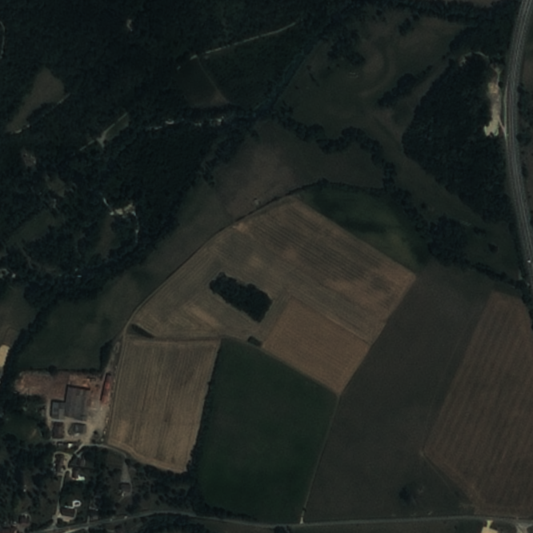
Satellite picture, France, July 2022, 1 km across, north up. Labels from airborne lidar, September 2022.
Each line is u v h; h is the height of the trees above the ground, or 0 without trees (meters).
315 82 24
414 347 0
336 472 0
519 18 0
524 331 0
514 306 0
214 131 21
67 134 21
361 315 0
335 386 0
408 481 0
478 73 19
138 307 0
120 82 21
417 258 0
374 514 0
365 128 0
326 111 0
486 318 0
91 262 7
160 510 0
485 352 0
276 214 0
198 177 22
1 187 13
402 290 0
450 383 0
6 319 0
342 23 20
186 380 0
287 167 0
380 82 0
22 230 0
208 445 0
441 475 0
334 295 0
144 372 0
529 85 0
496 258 0
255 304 23
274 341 0
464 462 0
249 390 0
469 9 22
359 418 0
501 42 24
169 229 23
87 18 28
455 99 22
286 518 0
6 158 8
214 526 0
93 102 22
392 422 0
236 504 0
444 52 0
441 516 0
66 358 0
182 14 25
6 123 13
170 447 0
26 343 17
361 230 0
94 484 10
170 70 26
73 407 0
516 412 0
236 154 16
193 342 0
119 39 23
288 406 0
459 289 0
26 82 13
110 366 0
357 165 0
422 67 0
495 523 0
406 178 0
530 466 0
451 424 0
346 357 0
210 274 0
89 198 26
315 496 0
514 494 0
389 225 0
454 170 19
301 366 0
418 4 15
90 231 25
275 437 0
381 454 0
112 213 0
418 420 0
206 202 0
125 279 0
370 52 0
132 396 0
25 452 12
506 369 0
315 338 0
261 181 0
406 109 0
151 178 9
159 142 7
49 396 0
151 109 7
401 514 0
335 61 21
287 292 0
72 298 21
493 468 0
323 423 0
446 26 0
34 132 20
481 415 0
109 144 13
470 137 17
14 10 23
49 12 26
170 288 0
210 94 0
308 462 0
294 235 0
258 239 0
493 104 0
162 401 0
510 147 0
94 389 0
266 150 0
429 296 0
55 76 11
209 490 0
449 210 0
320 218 0
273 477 0
